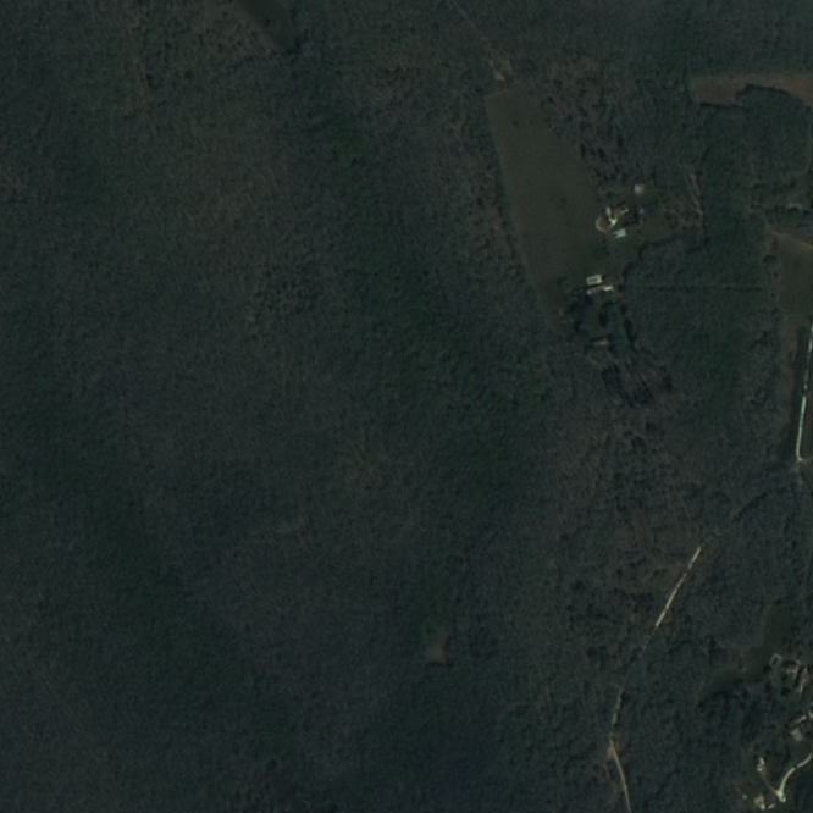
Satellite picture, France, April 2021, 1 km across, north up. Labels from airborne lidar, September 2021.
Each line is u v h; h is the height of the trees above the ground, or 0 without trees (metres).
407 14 11
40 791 16
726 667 19
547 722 15
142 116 12
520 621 13
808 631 16
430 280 17
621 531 11
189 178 10
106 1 14
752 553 15
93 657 22
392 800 12
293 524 14
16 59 11
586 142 12
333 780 14
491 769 18
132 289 12
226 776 15
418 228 14
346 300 14
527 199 0
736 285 16
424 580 17
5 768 16
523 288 13
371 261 19
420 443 16
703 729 22
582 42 16
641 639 13
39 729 13
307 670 11
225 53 13
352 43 12
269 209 14
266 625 15
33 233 15
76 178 13
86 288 10
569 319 7
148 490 14
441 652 0
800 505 16
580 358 15
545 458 14
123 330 13
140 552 18
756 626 15
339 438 16
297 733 17
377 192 21
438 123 12
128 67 10
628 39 19
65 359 15
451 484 18
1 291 17
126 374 14
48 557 21
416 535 15
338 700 14
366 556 17
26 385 15
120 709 19
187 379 14
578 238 0
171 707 18
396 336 17
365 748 13
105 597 19
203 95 15
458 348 19
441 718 20
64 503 13
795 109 15
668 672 17
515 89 8
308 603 14
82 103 10
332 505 16
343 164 20
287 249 10
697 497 12
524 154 0
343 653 13
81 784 14
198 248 15
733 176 18
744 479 18
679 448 14
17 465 17
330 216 17
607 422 13
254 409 14
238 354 11
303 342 16
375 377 14
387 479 14
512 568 12
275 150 12
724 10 13
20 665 13
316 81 17
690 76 17
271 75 17
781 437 0
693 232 7
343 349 16
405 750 20
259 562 15
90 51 10
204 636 16
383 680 14
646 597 9
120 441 16
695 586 14
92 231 9
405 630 15
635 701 13
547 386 14
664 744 18
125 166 11
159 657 20
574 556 12
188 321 12
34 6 12
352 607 14
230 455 17
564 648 13
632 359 15
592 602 8
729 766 21
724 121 18
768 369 11
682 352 18
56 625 17
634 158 9
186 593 14
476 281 12
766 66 16
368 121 14
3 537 18
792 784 8
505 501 14
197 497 18
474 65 14
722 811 18
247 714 18
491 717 14
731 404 13
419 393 18
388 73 9
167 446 14
